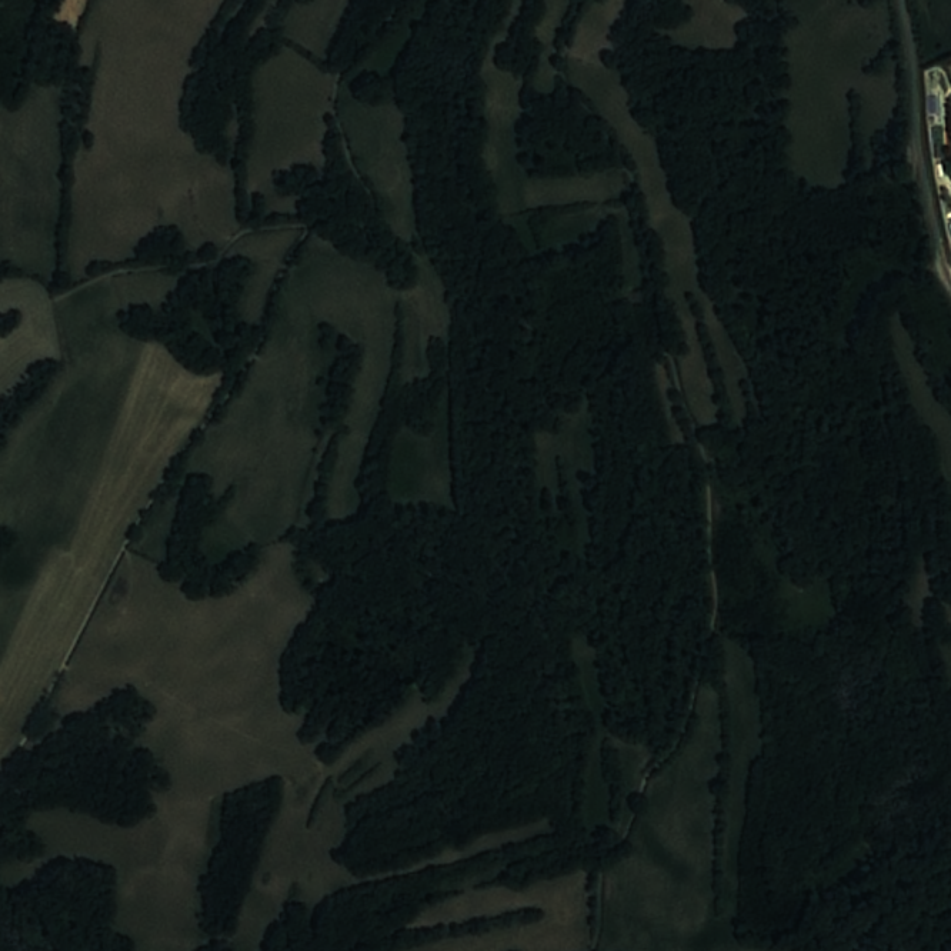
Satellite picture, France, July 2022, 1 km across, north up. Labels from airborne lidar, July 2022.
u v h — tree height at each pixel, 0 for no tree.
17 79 16
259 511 0
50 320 0
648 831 0
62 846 0
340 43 19
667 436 13
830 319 16
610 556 8
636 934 0
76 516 0
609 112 0
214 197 0
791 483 18
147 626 0
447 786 21
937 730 24
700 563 19
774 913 12
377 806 14
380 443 10
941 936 27
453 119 15
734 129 24
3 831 18
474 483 17
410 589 24
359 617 22
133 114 0
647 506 21
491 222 31
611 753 14
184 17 0
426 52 20
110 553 0
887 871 27
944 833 26
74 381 0
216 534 0
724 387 9
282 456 0
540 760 20
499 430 18
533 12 20
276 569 0
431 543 19
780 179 25
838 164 0
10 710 0
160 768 7
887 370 15
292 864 0
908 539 19
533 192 0
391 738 0
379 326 0
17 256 0
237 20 12
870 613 17
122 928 0
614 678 22
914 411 18
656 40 18
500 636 25
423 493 0
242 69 21
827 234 18
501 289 26
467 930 7
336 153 13
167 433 0
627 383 19
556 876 10
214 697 0
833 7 0
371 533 18
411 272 19
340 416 18
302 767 0
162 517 0
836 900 30
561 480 8
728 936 0
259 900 0
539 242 9
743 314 28
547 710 23
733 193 18
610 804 8
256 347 11
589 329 12
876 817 11
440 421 0
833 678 15
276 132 0
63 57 13
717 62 19
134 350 0
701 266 18
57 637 0
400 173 0
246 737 0
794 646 15
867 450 10
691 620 23
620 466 13
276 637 0
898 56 9
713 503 0
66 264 7
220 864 14
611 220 9
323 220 15
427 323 0
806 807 14
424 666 19
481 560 21
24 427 0
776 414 24
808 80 0
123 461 0
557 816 17
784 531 24
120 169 0
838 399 9
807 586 22
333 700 21
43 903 26
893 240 8
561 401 19
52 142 0
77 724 21
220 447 0
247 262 16
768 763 13
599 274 8
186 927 0
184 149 0
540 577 25
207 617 0
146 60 0
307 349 0
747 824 8
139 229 0
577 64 0
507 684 23
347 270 0
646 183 0
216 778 0
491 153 0
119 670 0
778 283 17
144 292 0
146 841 0
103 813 19
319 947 28
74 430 0
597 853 17
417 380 11
